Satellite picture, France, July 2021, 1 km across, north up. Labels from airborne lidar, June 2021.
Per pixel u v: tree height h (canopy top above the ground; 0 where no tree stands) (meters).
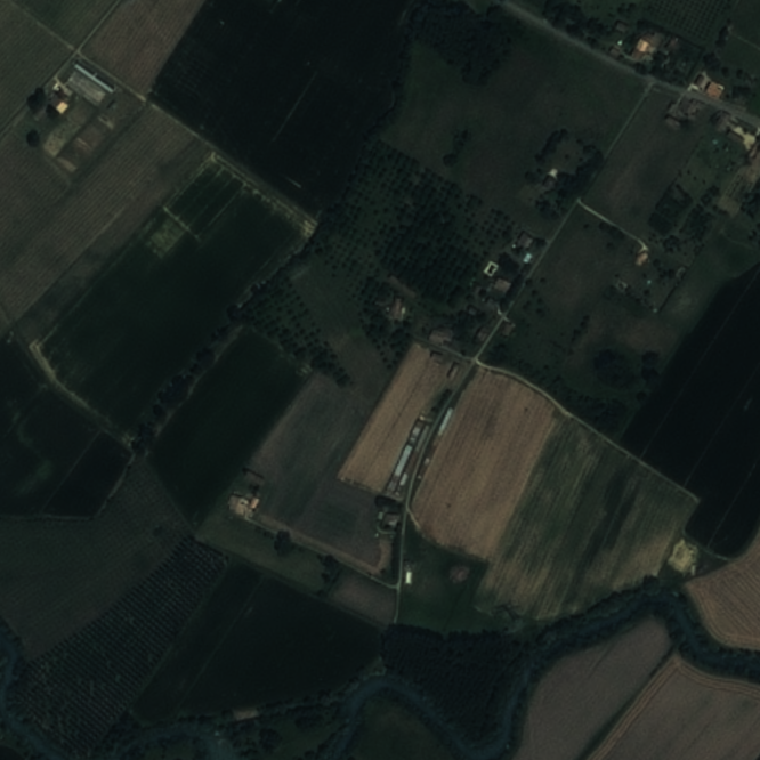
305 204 0
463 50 21
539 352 0
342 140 0
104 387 0
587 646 11
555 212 12
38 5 0
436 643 24
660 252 0
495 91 0
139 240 0
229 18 0
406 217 10
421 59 0
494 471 0
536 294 9
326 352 8
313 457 0
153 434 22
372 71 0
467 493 0
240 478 0
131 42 0
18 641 13
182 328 0
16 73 0
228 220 0
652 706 0
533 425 0
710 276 0
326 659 0
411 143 0
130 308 0
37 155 0
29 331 0
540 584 0
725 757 0
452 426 0
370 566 0
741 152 0
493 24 20
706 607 0
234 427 0
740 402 0
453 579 0
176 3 0
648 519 0
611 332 0
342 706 7
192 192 0
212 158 0
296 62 0
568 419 0
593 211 0
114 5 0
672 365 0
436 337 0
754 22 0
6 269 0
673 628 14
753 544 0
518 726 7
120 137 0
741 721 0
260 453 0
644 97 0
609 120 0
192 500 0
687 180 0
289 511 0
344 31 0
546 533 0
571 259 0
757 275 0
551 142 12
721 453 0
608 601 12
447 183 8
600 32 10
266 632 0
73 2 0
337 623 0
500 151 0
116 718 14
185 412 0
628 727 0
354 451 0
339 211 14
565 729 0
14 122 0
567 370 0
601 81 0
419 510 0
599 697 0
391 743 0
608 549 0
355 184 12
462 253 10
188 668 0
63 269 0
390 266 9
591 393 0
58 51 0
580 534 0
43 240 0
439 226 13
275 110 0
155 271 0
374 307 8
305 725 21
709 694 0
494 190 0
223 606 0
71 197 0
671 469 0
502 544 0
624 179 0
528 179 9
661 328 0
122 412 0
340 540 0
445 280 11
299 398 0
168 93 0
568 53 0
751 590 0
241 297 0
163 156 0
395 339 11
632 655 0
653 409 0
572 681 0
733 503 0
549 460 0
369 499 0
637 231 0
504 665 7
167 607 14
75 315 0
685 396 0
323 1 0
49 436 0
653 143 0
